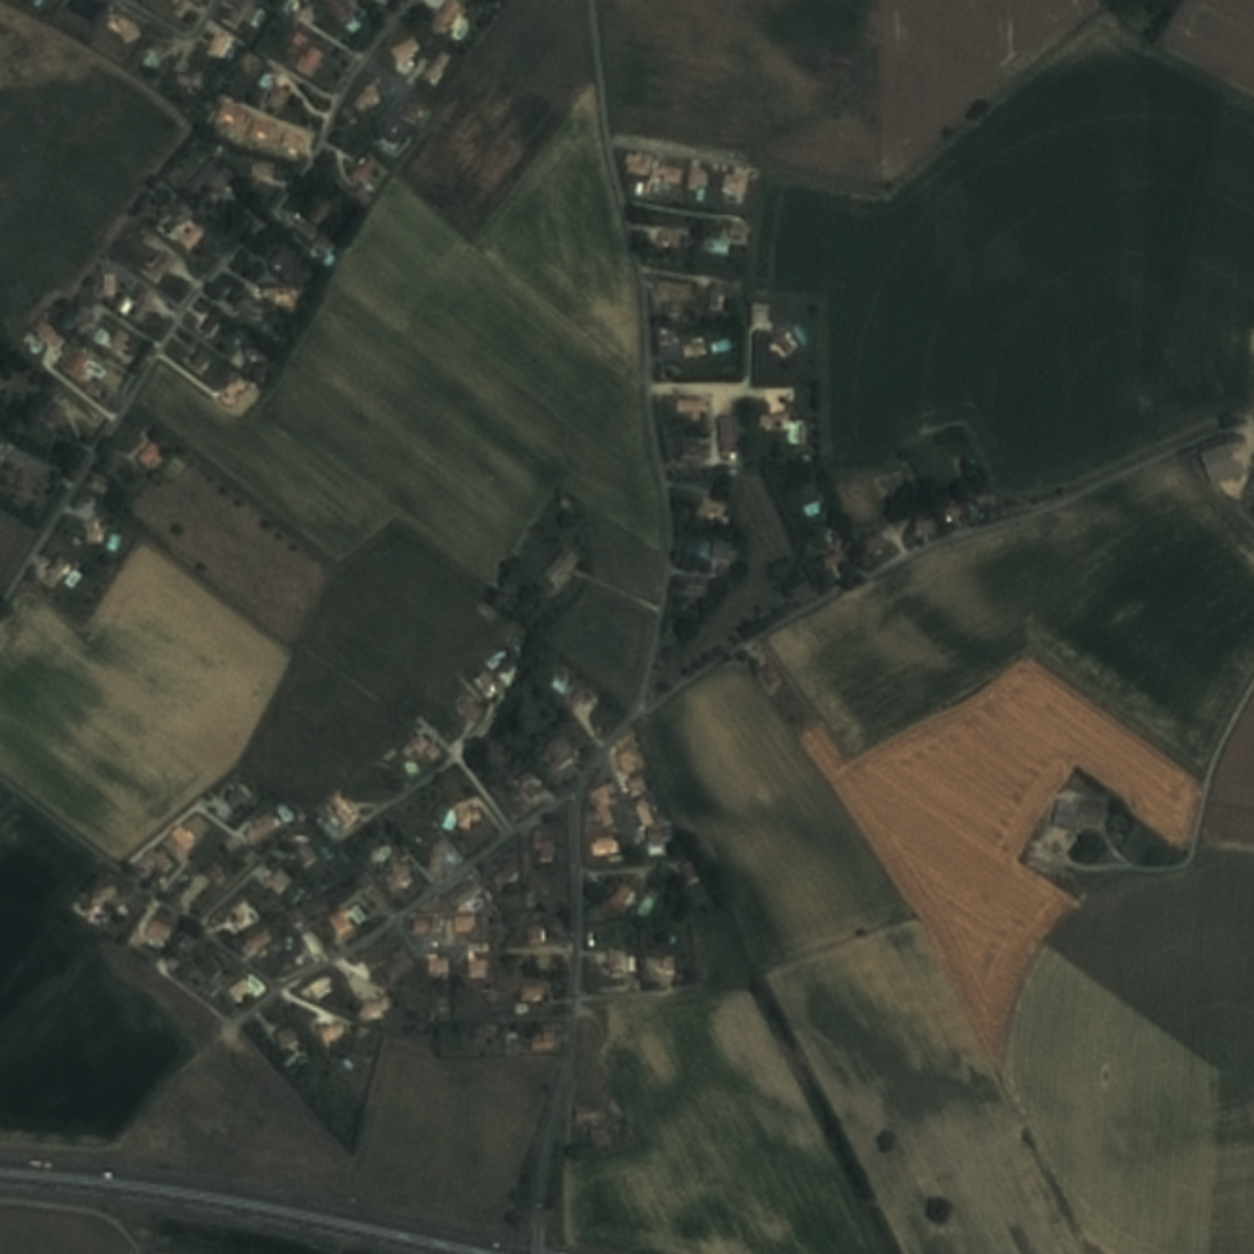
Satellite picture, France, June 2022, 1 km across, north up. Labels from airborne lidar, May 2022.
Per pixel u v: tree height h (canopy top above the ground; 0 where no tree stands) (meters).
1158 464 0
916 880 0
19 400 6
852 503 0
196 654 0
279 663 0
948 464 0
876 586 0
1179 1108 0
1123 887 0
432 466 0
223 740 0
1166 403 0
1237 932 0
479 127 0
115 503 8
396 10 9
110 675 0
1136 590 0
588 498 0
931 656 0
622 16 0
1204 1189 0
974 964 0
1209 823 0
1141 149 0
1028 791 0
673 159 0
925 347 0
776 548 0
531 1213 0
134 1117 0
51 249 0
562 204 0
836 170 0
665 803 0
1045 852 0
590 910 9
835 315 0
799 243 0
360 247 0
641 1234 0
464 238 0
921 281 0
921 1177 0
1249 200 0
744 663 7
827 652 0
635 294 0
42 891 0
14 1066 0
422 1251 0
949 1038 0
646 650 0
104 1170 0
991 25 0
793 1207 0
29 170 0
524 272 0
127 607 0
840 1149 11
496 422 0
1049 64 0
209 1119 0
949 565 0
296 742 0
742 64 0
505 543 0
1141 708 0
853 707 0
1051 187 0
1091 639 0
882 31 0
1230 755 0
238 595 0
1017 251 0
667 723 0
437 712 0
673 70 0
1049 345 0
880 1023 0
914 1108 0
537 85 0
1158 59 0
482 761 15
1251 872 0
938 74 0
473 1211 0
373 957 0
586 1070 0
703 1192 0
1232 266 0
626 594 0
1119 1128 0
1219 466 0
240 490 0
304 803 0
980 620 0
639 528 0
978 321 0
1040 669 0
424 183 0
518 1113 0
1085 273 0
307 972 0
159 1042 0
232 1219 0
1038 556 0
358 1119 7
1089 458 0
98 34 0
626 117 0
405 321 0
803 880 0
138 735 0
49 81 0
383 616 0
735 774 0
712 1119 0
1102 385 0
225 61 7
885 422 0
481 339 0
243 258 7
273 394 0
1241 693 0
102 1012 0
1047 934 0
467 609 0
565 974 7
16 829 0
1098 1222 0
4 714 0
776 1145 0
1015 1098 0
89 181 0
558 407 0
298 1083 6
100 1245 0
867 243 0
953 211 0
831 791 0
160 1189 0
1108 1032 0
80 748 0
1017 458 0
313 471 0
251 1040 6
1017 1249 0
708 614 9
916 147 0
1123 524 0
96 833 0
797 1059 0
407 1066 0
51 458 12
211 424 0
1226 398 0
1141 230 0
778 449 6
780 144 0
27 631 0
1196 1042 0
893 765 0
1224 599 0
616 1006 0
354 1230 0
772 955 0
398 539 0
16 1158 0
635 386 0
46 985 0
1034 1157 0
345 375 0
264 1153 0
